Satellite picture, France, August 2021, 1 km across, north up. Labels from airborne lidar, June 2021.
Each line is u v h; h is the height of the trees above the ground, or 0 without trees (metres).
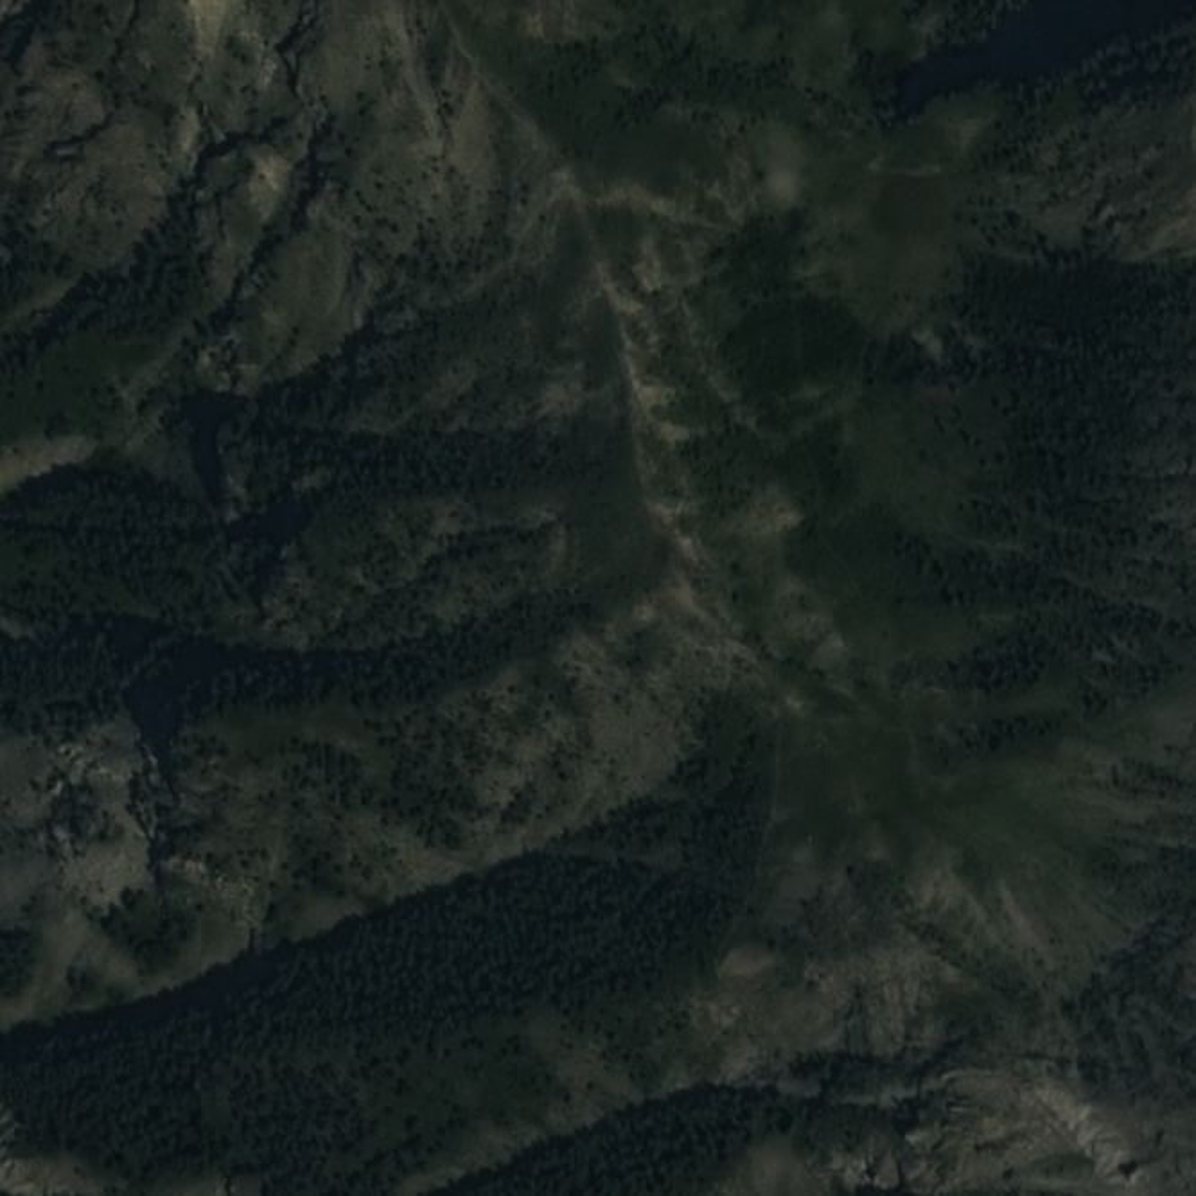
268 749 0
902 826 0
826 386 0
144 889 8
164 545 20
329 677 15
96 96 0
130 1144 19
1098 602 8
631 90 10
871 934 0
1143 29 7
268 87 0
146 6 0
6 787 0
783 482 0
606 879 14
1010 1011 0
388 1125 0
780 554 0
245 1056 10
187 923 10
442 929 16
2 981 20
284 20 0
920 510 0
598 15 0
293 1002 17
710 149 0
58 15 11
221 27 0
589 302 0
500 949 13
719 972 0
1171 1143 0
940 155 0
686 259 0
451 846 6
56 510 24
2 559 0
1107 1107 0
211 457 0
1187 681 0
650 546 0
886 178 0
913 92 0
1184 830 0
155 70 7
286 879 0
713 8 0
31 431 0
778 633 0
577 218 0
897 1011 0
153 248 16
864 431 0
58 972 0
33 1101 27
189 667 10
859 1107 7
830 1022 0
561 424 0
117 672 18
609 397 0
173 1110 22
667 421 0
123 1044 17
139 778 9
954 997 0
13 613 14
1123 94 8
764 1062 0
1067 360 8
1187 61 8
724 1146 11
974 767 0
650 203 0
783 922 0
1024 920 0
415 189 0
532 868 12
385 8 0
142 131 0
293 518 11
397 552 6
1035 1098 0
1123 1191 0
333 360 9
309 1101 7
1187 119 0
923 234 0
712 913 10
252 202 0
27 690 26
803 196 0
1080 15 21
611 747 0
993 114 0
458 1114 12
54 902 0
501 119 0
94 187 7
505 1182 16
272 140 8
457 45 0
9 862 0
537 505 0
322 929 6
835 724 0
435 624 7
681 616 0
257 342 0
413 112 0
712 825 8
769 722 0
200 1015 23
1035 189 0
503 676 0
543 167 0
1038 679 8
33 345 17
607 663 0
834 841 0
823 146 0
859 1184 0
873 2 0
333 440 7
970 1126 0
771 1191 0
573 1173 14
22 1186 0
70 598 7
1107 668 8
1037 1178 0
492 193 8
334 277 0
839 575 0
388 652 11
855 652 0
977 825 0
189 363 11
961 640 0
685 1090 0
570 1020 12
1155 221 0
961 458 0
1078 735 0
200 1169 22
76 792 15
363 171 0
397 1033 18
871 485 0
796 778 0
